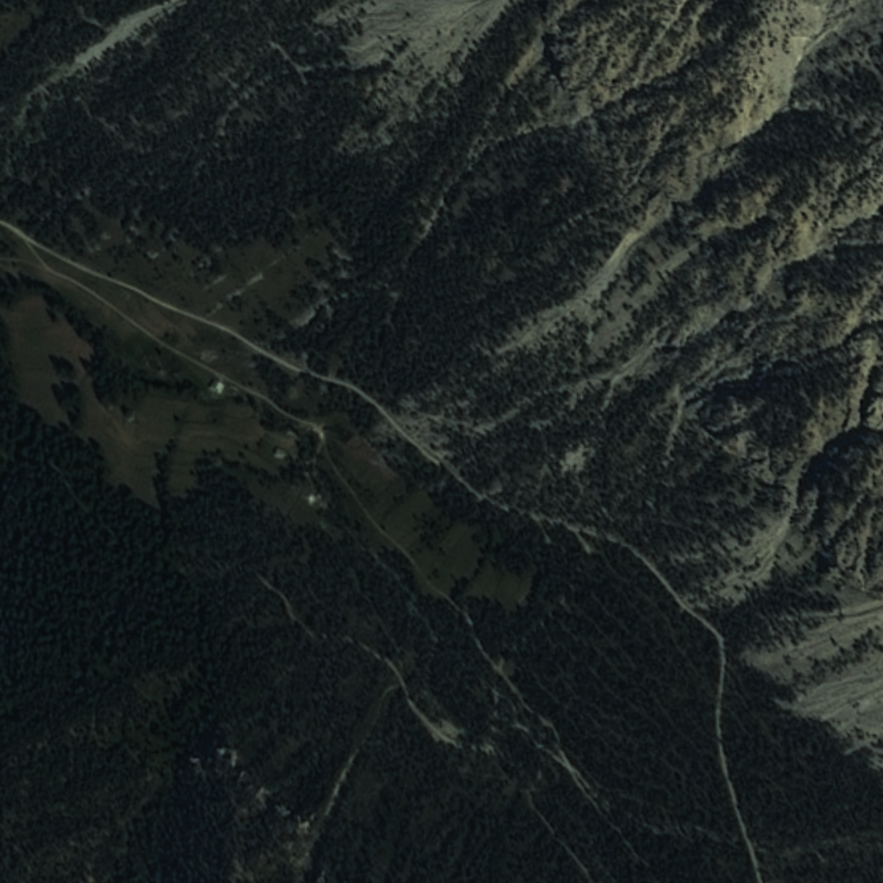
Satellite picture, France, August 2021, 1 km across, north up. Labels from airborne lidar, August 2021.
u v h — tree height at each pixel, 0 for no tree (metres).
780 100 0
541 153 10
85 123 11
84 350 0
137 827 10
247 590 13
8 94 7
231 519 10
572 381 8
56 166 10
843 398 7
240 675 10
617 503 11
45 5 11
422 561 0
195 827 16
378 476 0
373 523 0
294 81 11
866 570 8
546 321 0
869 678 0
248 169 16
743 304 0
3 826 16
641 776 7
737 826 7
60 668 12
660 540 10
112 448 0
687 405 0
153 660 12
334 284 10
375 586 12
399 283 13
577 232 8
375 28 0
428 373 7
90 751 12
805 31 0
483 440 9
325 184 11
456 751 10
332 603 12
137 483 0
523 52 9
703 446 6
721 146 0
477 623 10
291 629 7
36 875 6
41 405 0
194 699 24
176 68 12
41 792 12
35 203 10
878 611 0
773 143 7
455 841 13
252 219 13
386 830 13
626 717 6
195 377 0
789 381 8
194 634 16
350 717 16
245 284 0
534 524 13
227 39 6
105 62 9
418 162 11
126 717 9
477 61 10
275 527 14
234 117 11
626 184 7
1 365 25
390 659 11
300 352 11
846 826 9
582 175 9
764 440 14
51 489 23
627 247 0
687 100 6
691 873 10
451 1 0
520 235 10
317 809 9
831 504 9
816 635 0
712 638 10
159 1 12
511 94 11
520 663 13
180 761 9
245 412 0
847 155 6
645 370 0
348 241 8
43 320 0
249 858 8
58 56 9
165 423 0
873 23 0
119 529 20
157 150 12
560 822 10
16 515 14
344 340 9
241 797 11
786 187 10
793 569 0
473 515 14
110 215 13
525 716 6
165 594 11
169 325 0
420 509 0
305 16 9
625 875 10
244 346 0
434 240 7
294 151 14
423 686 12
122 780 7
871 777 7
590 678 8
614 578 6
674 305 8
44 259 0
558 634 8
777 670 0
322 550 12
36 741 13
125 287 0
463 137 13
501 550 11
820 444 0
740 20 10
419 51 0
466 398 9
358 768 9
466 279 12
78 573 21
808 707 0
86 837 18
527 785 9
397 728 13
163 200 11
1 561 8
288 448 0
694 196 0
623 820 16
